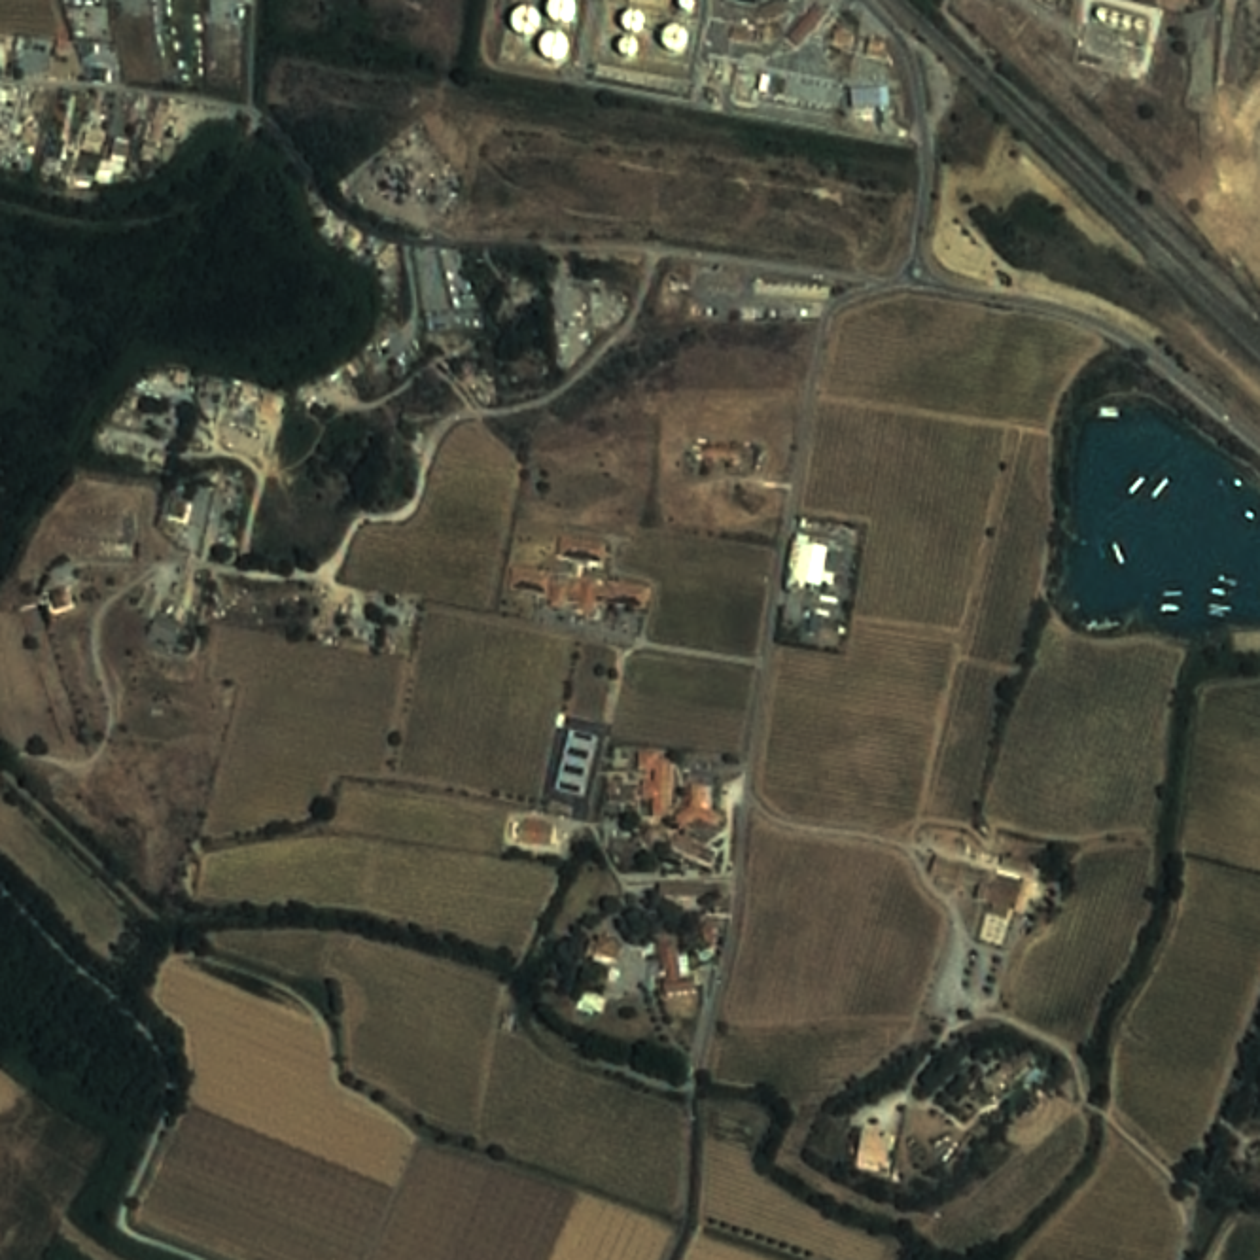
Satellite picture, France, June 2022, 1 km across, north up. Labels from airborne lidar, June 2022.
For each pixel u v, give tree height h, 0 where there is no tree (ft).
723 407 0
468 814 0
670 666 0
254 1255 0
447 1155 0
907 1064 36
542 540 0
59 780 0
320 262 19
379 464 38
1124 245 0
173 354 19
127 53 0
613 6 0
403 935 46
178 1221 0
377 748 0
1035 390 0
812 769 0
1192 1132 0
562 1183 0
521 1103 0
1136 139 0
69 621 0
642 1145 0
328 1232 0
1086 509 0
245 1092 0
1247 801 0
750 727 0
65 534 0
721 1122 0
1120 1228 0
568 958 50
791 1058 0
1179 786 19
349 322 27
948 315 0
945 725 0
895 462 0
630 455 0
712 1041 0
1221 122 0
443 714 0
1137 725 0
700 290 0
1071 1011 0
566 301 0
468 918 0
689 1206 0
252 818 0
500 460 0
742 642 0
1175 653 0
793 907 0
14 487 32
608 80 0
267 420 0
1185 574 0
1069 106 0
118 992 30
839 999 0
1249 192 0
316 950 0
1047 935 0
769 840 0
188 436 36
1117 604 0
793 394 0
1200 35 0
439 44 0
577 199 0
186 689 0
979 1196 0
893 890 0
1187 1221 0
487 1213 0
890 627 0
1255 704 0
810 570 0
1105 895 0
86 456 20
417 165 0
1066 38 0
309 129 33
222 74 0
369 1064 0
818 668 0
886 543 0
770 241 0
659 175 0
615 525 0
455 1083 0
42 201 33
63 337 26
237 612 0
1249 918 0
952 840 0
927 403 0
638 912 41
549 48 0
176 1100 66
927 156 0
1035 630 36
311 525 0
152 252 20
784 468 0
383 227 26
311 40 21
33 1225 0
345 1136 0
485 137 0
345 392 0
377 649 24
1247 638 0
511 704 0
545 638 0
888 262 0
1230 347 0
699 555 0
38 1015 44
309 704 0
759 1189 0
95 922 0
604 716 0
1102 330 0
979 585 0
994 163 0
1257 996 0
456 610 0
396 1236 0
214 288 24
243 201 43
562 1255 0
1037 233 0
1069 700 0
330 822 46
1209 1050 0
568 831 0
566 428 0
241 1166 0
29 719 0
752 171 0
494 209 0
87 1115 19
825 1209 24
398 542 0
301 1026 0
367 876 0
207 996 0
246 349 20
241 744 0
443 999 0
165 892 17
